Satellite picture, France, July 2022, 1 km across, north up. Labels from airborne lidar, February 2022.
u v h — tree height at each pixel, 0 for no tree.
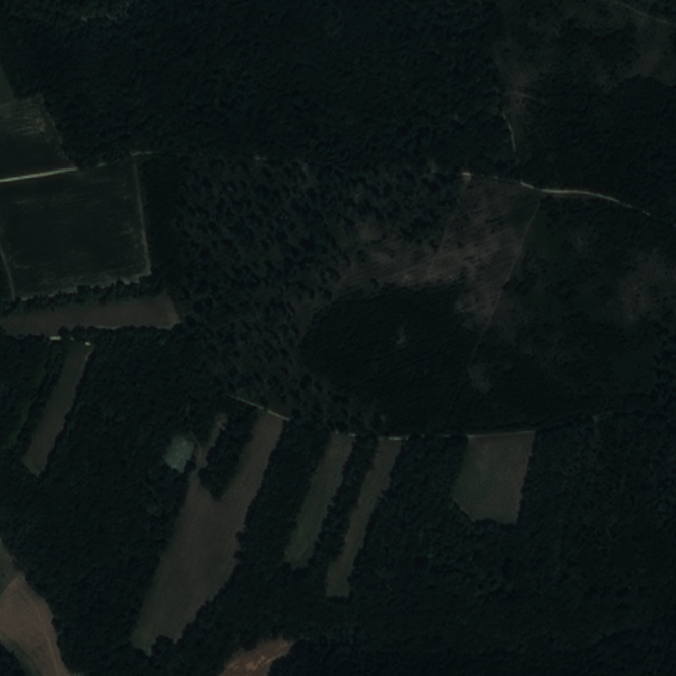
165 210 8
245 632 24
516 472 0
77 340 15
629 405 12
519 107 0
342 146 14
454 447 18
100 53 18
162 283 15
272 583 22
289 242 31
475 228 0
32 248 0
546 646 22
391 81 20
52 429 0
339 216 20
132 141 22
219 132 19
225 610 21
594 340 8
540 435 15
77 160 11
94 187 0
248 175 28
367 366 8
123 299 13
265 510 21
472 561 15
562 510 21
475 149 22
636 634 32
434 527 7
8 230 0
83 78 15
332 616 21
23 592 0
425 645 27
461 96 17
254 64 21
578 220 7
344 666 25
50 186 0
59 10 11
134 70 18
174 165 9
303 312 0
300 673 24
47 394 11
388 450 0
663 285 0
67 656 23
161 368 17
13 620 0
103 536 22
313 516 0
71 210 0
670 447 24
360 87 21
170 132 8
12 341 16
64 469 21
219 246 23
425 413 8
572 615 23
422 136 20
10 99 0
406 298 6
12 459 20
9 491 19
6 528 18
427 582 21
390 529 20
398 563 22
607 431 6
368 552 18
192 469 14
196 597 0
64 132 17
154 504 18
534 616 26
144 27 9
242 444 17
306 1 18
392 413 7
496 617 19
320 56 22
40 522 14
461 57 21
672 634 28
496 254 0
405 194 31
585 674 22
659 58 0
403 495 21
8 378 25
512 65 0
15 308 13
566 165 8
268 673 0
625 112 8
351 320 7
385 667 24
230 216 27
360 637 19
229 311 24
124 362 17
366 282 0
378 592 20
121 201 0
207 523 0
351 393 8
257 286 23
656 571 10
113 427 21
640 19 0
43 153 0
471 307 0
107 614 24
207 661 25
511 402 7
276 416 0
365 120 16
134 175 0
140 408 19
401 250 0
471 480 0
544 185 8
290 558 0
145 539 25
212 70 17
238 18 19
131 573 25
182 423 18
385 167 12
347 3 18
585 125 14
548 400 9
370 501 0
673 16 12
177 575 0
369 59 18
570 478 19
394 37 21
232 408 13
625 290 0
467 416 8
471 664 21
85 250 0
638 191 9
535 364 6
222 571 0
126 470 22
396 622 22
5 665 27
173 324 0
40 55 15
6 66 12
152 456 16
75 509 22
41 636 0
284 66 20
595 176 8
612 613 23
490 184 0
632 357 0
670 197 18
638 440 14
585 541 12
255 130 21
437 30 20
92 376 15
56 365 9
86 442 22
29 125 0
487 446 0
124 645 19
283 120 20
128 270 0
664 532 6
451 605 25
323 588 17
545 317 0
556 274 0
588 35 8
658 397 26
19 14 8
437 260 0
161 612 0
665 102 7
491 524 18
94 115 12
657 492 14
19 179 0
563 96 8
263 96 18
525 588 22
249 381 24
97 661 20
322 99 22
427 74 16
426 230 28
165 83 21
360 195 0
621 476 10
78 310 0
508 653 24
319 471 12
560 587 24
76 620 25
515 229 0
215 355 24
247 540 18
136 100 16
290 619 21
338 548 19
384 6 19
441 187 25
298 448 18
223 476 19
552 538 23
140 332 12
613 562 7
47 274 0
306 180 30
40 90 12
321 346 7
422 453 21
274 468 17
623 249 6
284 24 24
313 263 26
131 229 0
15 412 24
